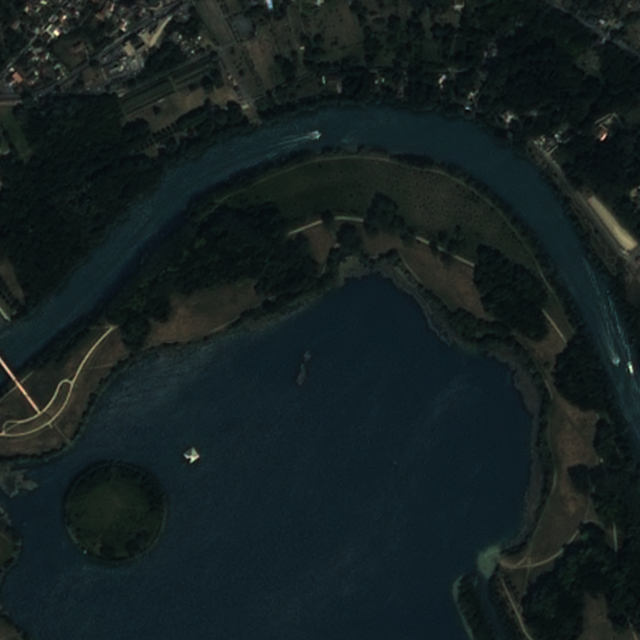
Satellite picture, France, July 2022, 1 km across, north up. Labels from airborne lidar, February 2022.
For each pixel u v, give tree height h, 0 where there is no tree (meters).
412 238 24
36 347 0
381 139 0
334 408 0
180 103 0
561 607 20
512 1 12
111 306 28
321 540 0
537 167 0
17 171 21
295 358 0
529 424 0
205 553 0
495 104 8
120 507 0
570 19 17
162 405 0
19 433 0
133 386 0
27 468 0
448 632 0
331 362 0
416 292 0
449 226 0
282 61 15
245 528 0
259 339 0
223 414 0
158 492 9
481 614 12
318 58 16
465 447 0
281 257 30
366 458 0
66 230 24
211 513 0
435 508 0
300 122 0
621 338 0
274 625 0
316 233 0
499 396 0
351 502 0
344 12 0
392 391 0
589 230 0
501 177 0
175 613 0
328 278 12
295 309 0
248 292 0
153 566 0
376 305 0
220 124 13
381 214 25
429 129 0
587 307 0
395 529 0
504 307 18
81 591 0
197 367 0
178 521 0
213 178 0
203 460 0
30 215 18
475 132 0
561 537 0
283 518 0
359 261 0
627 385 0
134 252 0
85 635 0
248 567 0
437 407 0
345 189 0
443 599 0
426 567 0
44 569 0
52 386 0
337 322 0
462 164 0
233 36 0
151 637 0
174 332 0
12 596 0
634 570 20
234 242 22
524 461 0
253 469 0
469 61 15
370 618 0
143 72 9
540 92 29
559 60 31
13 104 0
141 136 20
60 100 15
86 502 0
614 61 19
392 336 0
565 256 0
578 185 14
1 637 0
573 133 10
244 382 0
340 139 0
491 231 0
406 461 0
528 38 22
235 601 0
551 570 0
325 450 0
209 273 15
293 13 0
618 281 7
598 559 15
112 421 0
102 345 0
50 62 8
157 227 0
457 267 0
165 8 0
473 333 11
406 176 0
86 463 0
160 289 27
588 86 15
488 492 0
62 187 27
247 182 15
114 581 0
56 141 7
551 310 0
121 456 0
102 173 24
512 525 0
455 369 0
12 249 22
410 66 6
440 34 27
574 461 0
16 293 0
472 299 0
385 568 0
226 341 0
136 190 25
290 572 0
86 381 0
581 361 18
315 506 0
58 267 24
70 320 0
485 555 0
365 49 7
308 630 0
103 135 8
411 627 0
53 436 0
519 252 0
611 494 15
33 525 0
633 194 0
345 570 0
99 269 0
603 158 26
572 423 0
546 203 0
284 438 0
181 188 0
